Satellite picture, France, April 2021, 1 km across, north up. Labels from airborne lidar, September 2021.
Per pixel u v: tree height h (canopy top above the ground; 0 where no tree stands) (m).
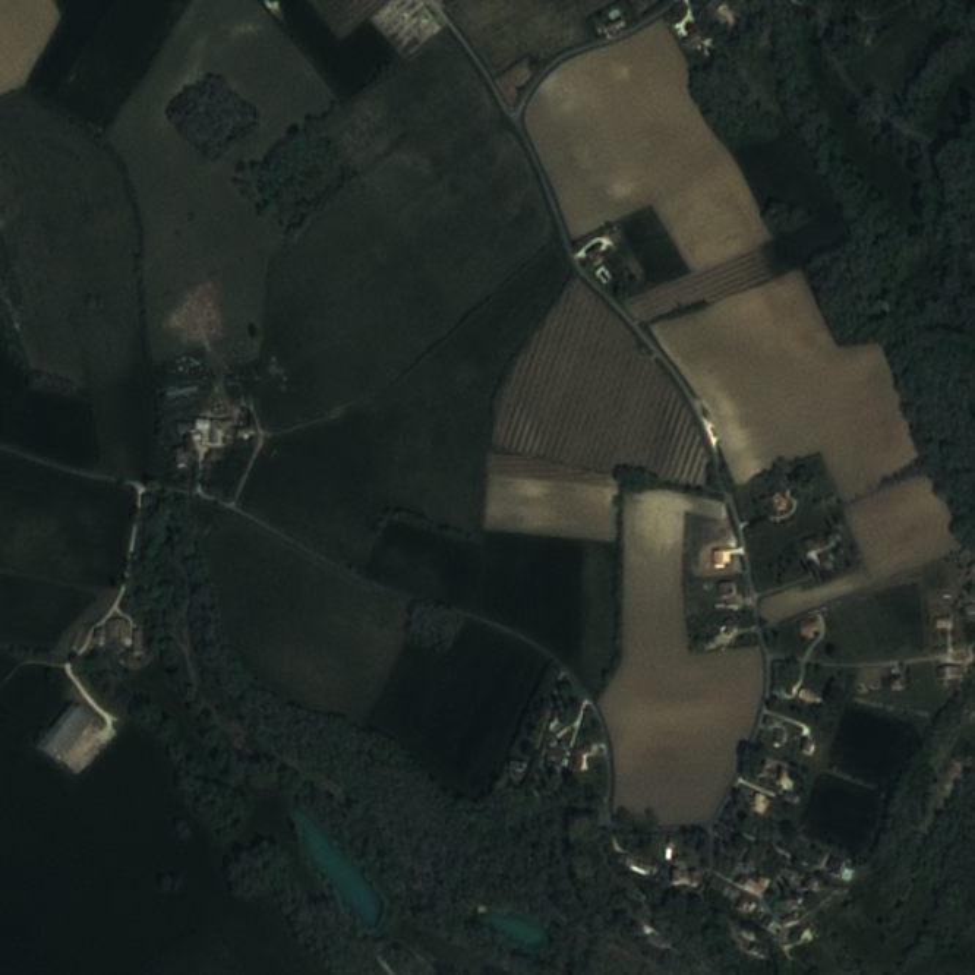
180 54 0
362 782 21
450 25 0
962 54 26
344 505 0
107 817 0
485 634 0
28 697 0
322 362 0
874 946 0
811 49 0
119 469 0
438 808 20
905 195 0
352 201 0
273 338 0
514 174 0
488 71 0
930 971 0
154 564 17
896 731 0
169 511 13
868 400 0
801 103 19
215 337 0
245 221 0
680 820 0
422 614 16
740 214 0
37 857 0
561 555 0
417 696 0
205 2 0
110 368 0
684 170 0
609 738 0
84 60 0
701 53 0
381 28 0
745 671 0
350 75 0
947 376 25
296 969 0
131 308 0
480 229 0
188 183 0
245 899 18
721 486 11
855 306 17
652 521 0
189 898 0
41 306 0
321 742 25
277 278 0
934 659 0
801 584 0
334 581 0
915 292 10
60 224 0
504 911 20
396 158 0
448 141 0
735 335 0
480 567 0
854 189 19
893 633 0
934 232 8
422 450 0
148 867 0
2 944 0
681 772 0
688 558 0
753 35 17
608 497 0
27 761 0
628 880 9
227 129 11
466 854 21
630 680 0
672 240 0
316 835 0
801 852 8
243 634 0
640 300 0
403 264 0
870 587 0
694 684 0
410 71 0
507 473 0
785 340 0
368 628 0
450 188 0
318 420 0
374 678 0
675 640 0
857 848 0
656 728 0
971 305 16
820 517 0
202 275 0
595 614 0
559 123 0
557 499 0
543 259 0
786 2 18
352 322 0
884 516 0
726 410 0
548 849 14
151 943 0
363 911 0
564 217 0
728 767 0
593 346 0
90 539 0
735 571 0
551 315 0
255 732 20
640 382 0
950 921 19
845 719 0
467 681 0
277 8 0
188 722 0
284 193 16
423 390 0
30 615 0
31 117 0
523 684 0
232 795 17
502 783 15
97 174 0
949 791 0
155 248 0
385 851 5
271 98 0
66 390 16
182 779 11
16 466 0
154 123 0
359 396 0
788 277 0
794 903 0
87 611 0
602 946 20
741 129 15
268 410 0
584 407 0
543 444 0
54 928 0
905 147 29
